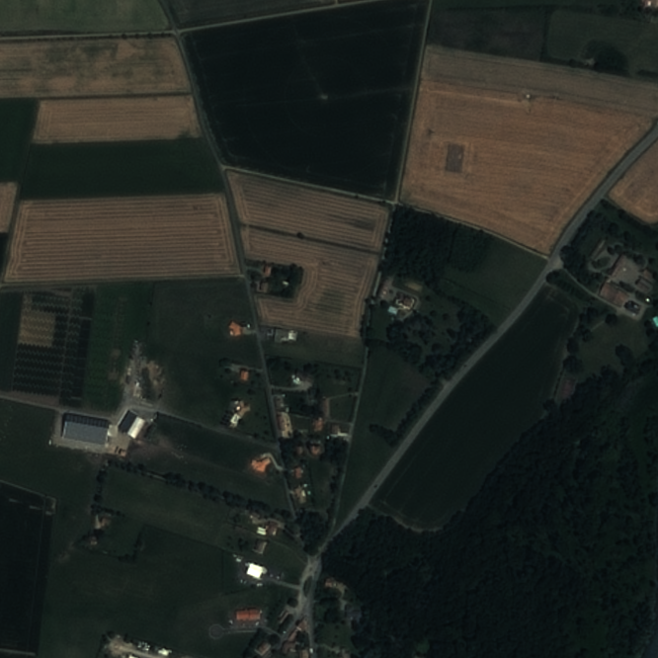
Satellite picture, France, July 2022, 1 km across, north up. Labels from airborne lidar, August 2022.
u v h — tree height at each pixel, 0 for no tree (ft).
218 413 0
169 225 0
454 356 23
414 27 0
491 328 52
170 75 0
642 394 0
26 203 0
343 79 0
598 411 52
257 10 0
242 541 31
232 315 0
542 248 0
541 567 78
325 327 0
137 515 0
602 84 0
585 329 31
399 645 52
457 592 88
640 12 39
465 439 0
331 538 0
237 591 0
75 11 0
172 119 0
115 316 0
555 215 0
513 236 0
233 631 0
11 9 0
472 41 0
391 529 53
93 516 21
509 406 0
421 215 31
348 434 0
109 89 0
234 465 0
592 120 0
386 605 85
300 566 0
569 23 0
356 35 0
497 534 61
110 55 0
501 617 80
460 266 31
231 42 0
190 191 0
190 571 0
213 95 0
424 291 0
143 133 0
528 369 0
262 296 0
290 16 0
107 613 0
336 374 25
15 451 0
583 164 0
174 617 0
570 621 29
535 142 0
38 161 0
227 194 0
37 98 0
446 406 0
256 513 36
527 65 0
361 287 0
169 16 0
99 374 0
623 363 58
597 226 40
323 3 0
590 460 80
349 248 0
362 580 65
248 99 0
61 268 0
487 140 0
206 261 0
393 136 0
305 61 0
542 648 68
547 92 0
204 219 0
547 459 78
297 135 0
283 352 0
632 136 0
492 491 52
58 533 0
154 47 0
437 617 65
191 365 0
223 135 0
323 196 0
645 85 0
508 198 0
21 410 0
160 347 0
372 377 0
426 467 0
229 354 0
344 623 23
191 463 0
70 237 0
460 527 39
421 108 0
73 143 0
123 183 0
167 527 0
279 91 0
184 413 0
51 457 0
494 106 0
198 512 0
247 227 0
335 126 0
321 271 0
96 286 0
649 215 0
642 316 0
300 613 0
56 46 0
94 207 0
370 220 0
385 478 0
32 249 0
